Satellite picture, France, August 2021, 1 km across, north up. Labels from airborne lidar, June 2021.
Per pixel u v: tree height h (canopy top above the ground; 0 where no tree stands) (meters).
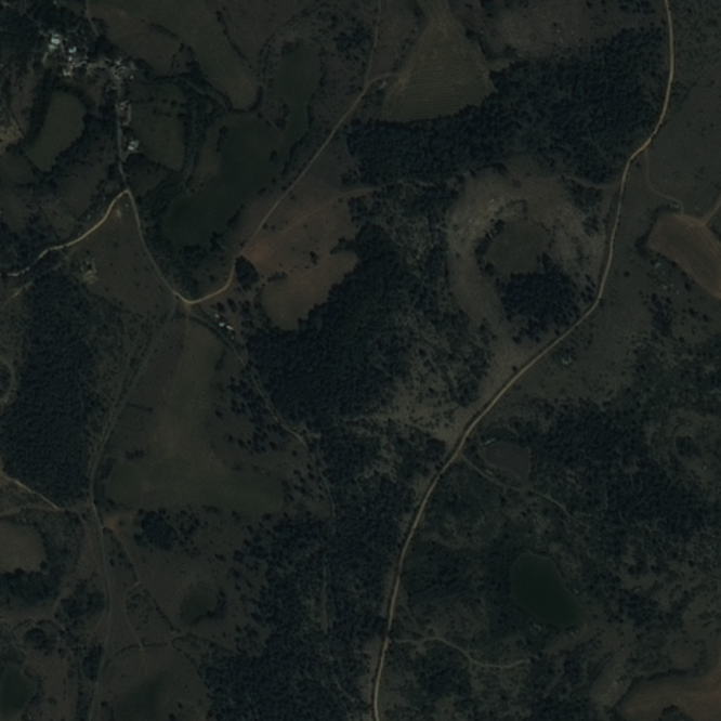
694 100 0
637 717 0
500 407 0
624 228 0
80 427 10
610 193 0
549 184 0
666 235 0
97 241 0
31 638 9
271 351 17
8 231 13
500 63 0
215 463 0
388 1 0
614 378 0
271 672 8
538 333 7
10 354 0
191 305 0
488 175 0
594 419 11
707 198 0
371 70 0
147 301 0
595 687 0
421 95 0
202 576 0
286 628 10
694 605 0
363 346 6
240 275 12
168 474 0
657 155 0
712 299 0
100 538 0
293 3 0
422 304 8
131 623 0
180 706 7
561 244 0
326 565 9
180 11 0
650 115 10
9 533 0
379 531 9
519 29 0
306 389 18
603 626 0
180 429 0
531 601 0
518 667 0
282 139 0
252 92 0
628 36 8
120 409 0
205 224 0
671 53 0
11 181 0
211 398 0
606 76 8
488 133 15
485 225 0
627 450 11
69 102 0
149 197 9
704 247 0
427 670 10
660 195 0
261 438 9
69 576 0
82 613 7
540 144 6
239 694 8
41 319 6
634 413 11
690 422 0
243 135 0
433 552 8
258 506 0
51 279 12
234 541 0
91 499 0
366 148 15
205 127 7
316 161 0
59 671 0
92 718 0
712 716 0
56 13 15
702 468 0
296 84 0
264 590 9
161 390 0
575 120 8
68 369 9
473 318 0
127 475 0
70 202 0
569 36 0
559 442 8
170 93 0
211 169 0
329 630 7
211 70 0
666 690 0
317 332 8
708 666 0
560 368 0
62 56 9
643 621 8
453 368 0
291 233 0
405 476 9
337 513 8
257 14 0
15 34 7
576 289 6
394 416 0
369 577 9
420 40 0
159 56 0
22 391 6
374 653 0
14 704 0
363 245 13
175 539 7
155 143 0
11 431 6
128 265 0
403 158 15
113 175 12
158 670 0
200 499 0
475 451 8
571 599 0
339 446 6
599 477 12
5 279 11
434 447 11
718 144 0
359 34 8
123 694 0
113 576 0
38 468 8
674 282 0
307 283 0
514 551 9
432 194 8
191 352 0
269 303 0
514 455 0
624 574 0
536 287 15
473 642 6
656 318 6
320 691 8
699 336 0
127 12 0
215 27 0
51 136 0
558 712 11
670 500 15
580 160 9
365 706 8
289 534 9
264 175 0
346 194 0
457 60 0
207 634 0
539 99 7
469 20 0
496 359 0
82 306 8
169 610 0
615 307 0
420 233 0
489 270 10
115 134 7
